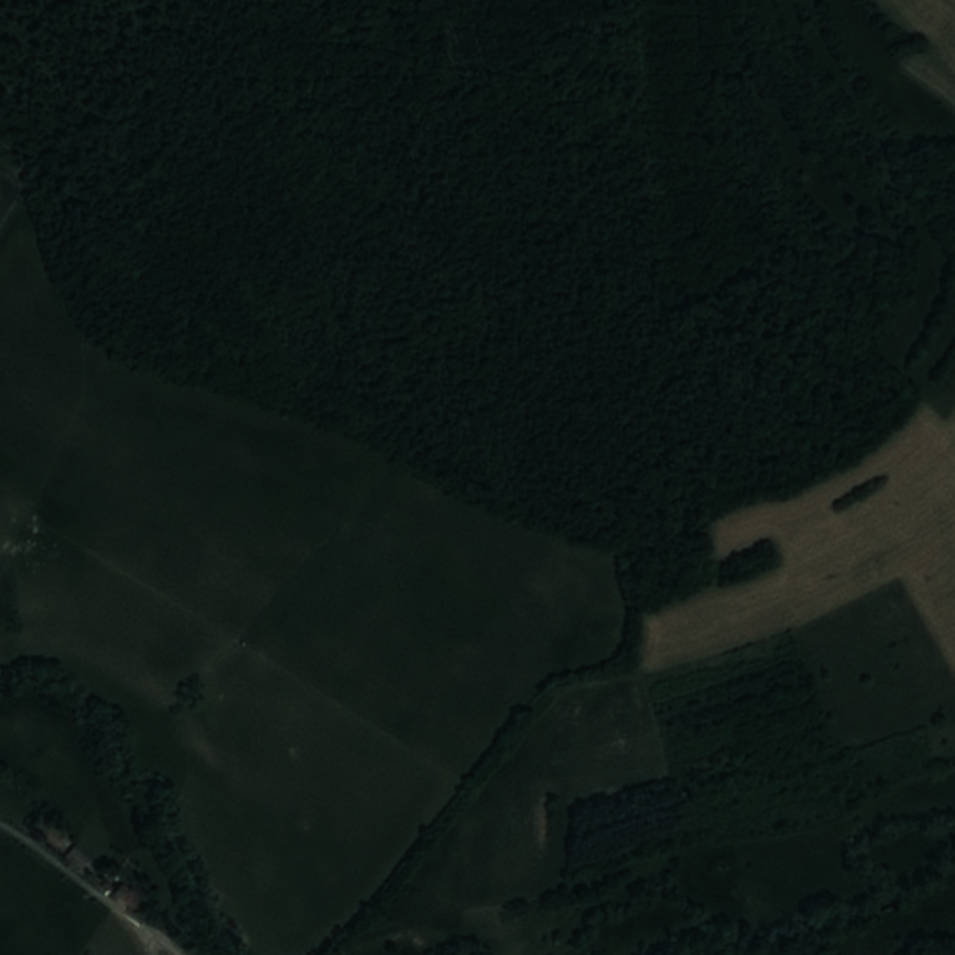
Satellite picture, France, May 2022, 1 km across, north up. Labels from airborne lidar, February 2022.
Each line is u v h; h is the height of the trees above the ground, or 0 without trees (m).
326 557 0
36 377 0
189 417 0
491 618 0
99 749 26
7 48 20
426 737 0
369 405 19
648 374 19
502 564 0
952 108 0
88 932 0
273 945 0
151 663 0
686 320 26
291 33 15
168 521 0
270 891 0
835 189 0
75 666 0
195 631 0
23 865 0
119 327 20
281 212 18
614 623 0
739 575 14
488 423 17
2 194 0
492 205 16
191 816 0
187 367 18
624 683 0
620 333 17
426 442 15
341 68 14
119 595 0
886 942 0
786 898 0
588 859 19
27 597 0
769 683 11
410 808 0
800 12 8
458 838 0
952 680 0
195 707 14
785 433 20
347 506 0
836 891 0
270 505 0
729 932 22
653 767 0
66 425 0
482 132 15
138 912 6
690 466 24
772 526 0
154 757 0
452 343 20
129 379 0
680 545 22
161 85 17
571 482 17
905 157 20
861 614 0
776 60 19
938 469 0
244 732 0
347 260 20
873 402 18
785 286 21
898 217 13
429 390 20
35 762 0
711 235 9
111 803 0
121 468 0
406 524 0
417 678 0
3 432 0
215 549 0
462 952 23
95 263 20
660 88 7
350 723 0
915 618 0
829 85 21
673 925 0
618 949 0
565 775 0
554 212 20
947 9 0
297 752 0
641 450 21
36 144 8
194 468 0
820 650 0
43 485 0
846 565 0
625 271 18
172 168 18
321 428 12
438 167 18
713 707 10
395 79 15
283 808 0
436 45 13
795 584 0
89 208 17
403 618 0
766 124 17
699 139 7
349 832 0
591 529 21
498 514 21
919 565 0
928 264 0
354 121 18
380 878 0
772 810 6
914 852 0
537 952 0
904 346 0
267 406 16
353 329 19
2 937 0
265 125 15
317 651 0
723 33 6
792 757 13
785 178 8
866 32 0
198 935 23
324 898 0
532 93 16
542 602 0
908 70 0
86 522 0
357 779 0
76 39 21
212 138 15
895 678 0
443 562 0
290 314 21
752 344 25
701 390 25
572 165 20
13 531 0
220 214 19
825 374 21
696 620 0
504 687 0
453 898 0
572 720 0
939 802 0
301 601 0
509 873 0
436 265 21
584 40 14
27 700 0
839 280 23
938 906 0
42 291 0
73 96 19
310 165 17
